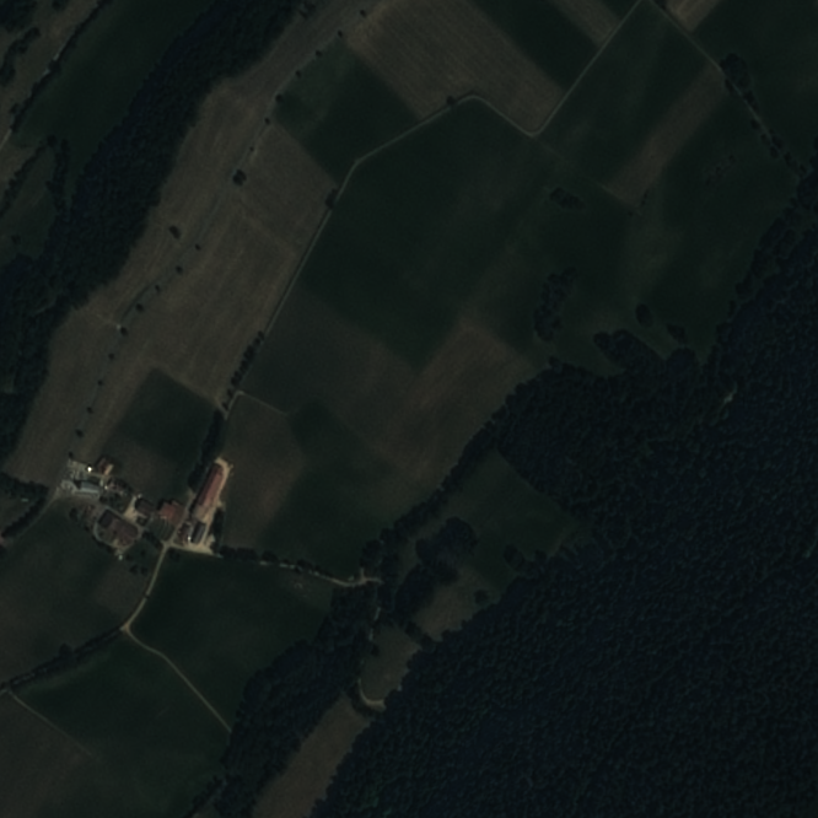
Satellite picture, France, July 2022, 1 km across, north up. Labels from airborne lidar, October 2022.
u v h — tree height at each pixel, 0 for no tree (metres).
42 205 0
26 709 0
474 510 0
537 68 0
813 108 0
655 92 0
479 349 0
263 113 0
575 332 0
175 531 0
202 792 0
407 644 0
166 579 0
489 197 0
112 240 19
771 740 14
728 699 31
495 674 27
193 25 0
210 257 0
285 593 0
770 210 0
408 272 0
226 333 0
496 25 0
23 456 0
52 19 0
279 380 0
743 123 0
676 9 0
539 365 0
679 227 0
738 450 24
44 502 6
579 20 0
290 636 0
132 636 0
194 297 0
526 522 0
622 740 15
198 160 0
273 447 0
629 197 0
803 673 25
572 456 29
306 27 0
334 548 0
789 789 24
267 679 22
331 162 0
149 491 0
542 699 19
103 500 8
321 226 0
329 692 31
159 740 0
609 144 0
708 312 0
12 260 0
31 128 0
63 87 0
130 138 15
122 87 0
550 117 0
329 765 0
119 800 0
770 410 20
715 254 0
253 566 9
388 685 0
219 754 0
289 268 0
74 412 0
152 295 0
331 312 0
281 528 0
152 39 0
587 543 0
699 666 24
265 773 30
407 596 16
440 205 0
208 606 0
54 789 0
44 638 0
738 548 24
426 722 8
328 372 0
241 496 0
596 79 0
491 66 0
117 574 0
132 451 0
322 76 0
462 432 0
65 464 0
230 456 0
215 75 14
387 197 0
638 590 29
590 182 0
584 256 0
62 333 0
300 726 34
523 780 29
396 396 0
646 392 11
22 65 0
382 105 0
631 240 0
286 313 0
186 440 0
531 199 0
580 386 16
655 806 35
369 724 0
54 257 21
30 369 18
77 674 0
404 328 0
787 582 20
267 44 20
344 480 0
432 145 0
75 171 0
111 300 0
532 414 18
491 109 0
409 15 0
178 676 0
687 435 32
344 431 0
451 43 0
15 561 0
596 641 20
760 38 0
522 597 36
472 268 0
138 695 0
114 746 0
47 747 0
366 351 0
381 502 0
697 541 15
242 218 0
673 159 0
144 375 0
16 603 0
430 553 28
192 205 0
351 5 0
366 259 0
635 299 0
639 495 32
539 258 0
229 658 0
